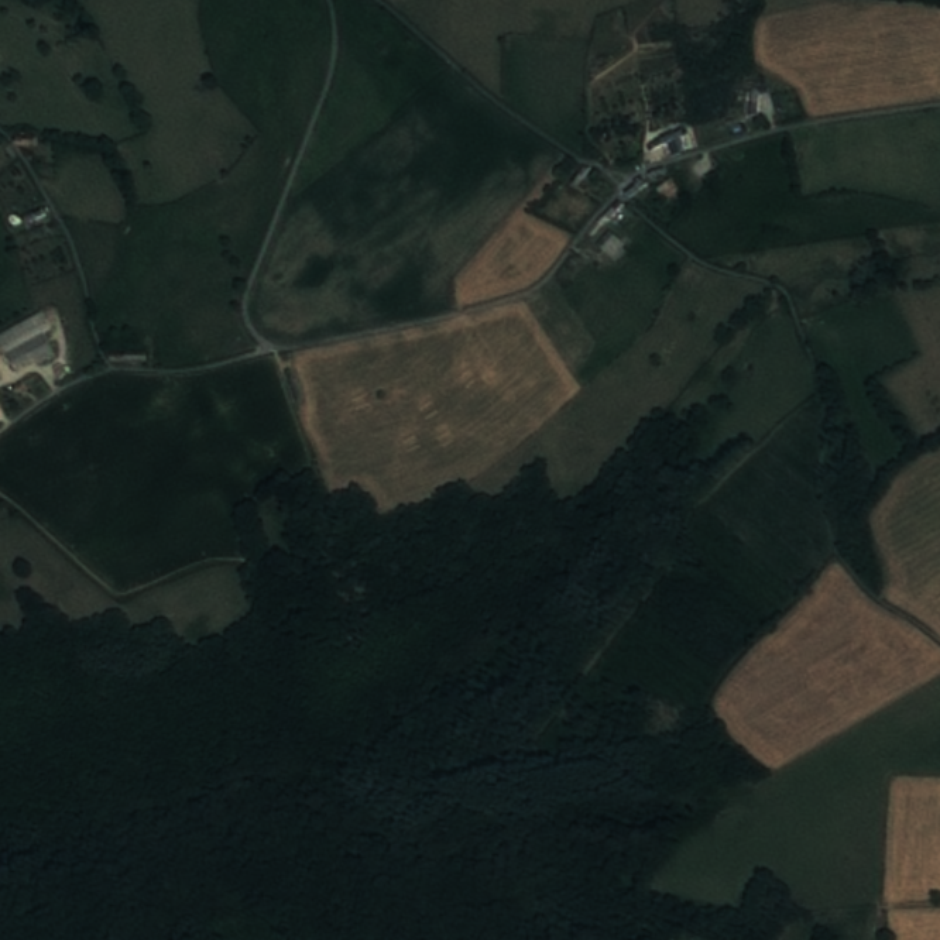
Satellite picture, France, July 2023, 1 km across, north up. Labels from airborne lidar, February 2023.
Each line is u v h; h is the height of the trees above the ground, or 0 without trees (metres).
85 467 0
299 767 27
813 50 0
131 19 0
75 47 0
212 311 0
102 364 10
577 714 17
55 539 0
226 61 0
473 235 0
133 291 0
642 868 17
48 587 0
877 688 0
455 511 12
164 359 0
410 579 14
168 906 25
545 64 0
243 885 19
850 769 0
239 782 30
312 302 0
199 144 0
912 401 0
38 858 30
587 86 0
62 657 18
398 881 30
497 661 9
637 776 20
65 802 26
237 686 24
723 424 0
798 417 0
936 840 0
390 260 0
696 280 0
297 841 22
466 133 0
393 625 21
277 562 29
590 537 27
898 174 0
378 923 23
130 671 21
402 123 0
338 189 0
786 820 0
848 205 0
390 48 0
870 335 0
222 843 19
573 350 0
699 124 0
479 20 0
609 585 27
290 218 0
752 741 0
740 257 0
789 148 13
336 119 0
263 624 20
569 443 0
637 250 0
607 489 21
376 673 17
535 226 0
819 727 0
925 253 0
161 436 0
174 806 21
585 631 21
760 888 15
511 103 0
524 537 16
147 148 0
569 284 0
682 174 0
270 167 0
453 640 24
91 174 0
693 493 25
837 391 13
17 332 0
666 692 0
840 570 0
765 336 0
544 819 26
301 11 0
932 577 0
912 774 0
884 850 0
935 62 0
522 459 0
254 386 0
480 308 0
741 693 0
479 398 0
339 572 10
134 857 23
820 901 0
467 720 19
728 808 0
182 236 0
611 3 0
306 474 12
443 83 0
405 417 0
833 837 0
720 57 14
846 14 0
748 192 0
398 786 15
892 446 0
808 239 0
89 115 0
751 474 0
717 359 0
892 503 0
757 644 11
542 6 0
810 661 0
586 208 0
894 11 0
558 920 30
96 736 25
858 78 0
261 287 0
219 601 0
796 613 0
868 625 0
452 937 25
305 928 20
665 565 29
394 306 0
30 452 0
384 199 0
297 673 22
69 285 0
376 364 0
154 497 0
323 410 0
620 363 0
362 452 0
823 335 0
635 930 21
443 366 0
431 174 0
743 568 0
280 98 0
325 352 0
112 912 29
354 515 12
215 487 0
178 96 0
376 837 15
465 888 27
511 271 0
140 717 24
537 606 31
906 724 0
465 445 0
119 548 0
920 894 0
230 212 0
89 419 0
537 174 0
